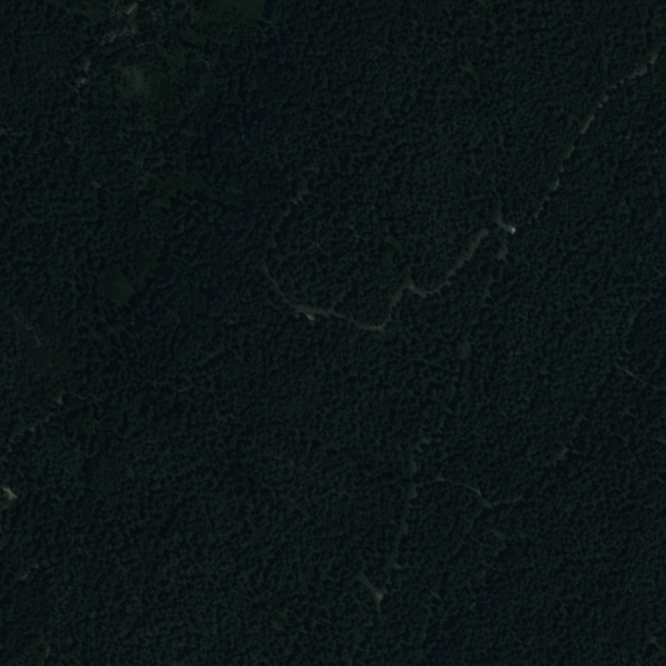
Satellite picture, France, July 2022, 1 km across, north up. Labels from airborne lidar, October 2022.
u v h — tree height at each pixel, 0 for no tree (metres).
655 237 21
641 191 15
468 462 22
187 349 30
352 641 25
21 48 29
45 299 25
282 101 24
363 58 12
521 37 21
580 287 21
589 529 24
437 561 8
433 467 13
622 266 12
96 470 33
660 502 24
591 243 20
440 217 23
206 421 16
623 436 19
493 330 28
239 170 25
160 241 23
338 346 18
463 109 16
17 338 17
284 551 15
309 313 0
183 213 29
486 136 19
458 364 16
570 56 23
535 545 21
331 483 14
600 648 24
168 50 30
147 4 11
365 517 12
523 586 20
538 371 22
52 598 21
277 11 33
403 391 21
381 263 16
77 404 20
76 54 23
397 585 29
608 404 37
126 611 27
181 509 20
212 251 29
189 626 32
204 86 13
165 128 17
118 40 10
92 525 18
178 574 16
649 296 34
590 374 20
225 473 15
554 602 29
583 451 33
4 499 32
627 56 20
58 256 37
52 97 15
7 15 25
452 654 33
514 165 10
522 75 13
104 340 7
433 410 25
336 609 32
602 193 13
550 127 24
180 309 32
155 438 17
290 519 12
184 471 25
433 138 25
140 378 20
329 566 13
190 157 15
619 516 30
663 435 21
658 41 12
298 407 14
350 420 13
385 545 22
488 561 27
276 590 19
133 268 23
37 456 37
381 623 31
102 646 13
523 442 26
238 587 28
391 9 18
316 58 20
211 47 9
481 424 21
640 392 20
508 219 15
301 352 23
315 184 26
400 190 23
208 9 12
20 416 30
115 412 31
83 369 10
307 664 15
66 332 28
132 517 28
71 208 30
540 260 33
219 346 23
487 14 14
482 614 36
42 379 8
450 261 15
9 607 23
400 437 20
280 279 33
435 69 18
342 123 6
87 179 22
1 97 25
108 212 30
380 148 12
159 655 18
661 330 26
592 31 12
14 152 12
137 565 16
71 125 32
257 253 26
